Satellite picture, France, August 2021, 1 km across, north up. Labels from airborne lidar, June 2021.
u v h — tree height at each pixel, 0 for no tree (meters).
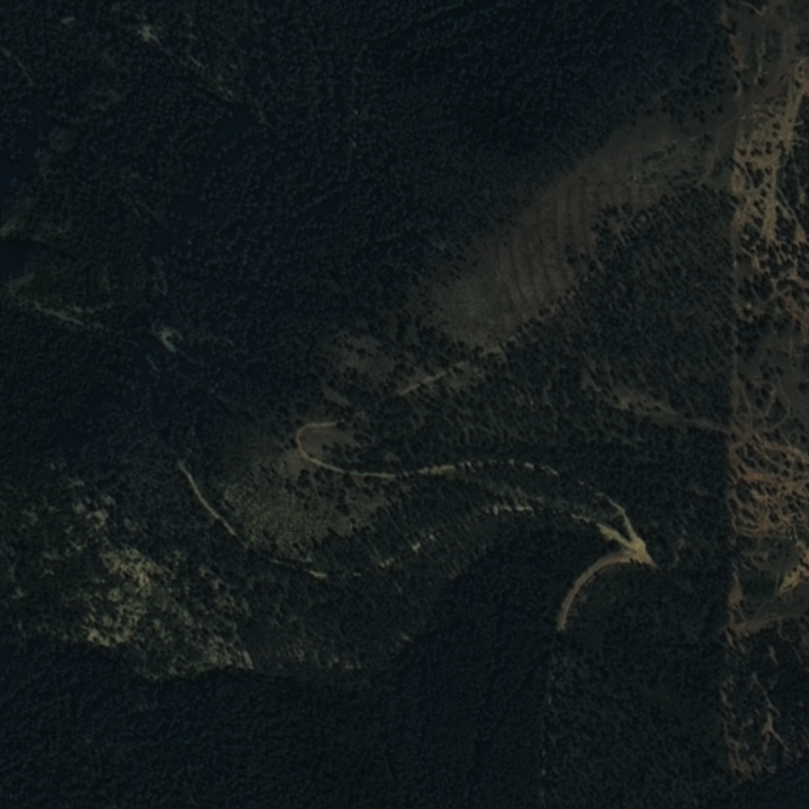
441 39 27
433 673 20
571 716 23
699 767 23
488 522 20
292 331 20
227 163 13
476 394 19
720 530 21
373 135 22
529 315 0
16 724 17
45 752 7
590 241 0
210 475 19
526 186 21
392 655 31
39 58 15
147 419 12
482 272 0
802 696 11
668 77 13
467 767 21
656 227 25
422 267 18
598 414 19
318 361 6
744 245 7
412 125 20
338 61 24
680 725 13
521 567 24
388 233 22
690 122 0
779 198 6
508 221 18
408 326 7
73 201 7
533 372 18
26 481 10
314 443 0
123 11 7
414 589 22
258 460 0
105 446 13
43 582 8
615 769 26
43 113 14
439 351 10
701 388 22
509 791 26
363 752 10
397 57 12
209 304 18
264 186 12
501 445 19
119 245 7
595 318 26
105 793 8
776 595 0
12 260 14
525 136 20
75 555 7
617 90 19
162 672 7
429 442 21
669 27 22
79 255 7
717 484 21
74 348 8
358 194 26
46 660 15
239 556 21
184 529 9
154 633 10
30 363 10
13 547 8
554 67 15
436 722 26
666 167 0
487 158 18
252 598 19
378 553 22
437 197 19
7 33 17
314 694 11
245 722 9
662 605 10
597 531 18
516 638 23
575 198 0
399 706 13
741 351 14
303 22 18
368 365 0
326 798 7
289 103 11
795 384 0
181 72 13
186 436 18
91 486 7
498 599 17
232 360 10
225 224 24
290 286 21
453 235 20
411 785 24
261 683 12
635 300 27
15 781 6
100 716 15
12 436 10
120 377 11
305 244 22
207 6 16
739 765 6
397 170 20
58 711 8
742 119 0
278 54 30
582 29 15
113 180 10
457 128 19
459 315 0
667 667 8
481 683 25
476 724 24
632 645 13
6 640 6
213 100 14
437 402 9
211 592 11
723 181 0
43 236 7
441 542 21
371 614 23
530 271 0
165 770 9
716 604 12
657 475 27
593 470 16
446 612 22
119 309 8
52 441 7
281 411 10
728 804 12
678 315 26
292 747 7
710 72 10
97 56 7
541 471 22
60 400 11
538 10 22
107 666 24
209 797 7
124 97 5
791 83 0
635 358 24
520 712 23
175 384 20
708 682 15
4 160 9
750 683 13
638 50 21
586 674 23
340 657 14
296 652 10
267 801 7
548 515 19
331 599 13
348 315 13
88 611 7
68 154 10
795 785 16
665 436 13
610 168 0
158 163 14
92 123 6
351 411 12
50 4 11
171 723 17
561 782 25
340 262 20
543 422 23
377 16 23
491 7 23
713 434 6
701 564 7
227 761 12
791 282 8
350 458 17
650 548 21
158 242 9
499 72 18
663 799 22
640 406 11
